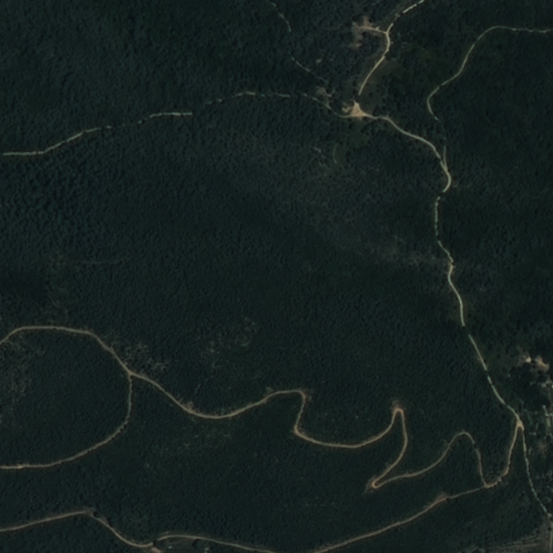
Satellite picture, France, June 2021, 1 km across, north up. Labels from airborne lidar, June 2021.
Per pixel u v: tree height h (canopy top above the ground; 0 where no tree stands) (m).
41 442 12
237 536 13
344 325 8
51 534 11
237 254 16
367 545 6
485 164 10
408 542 6
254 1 13
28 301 6
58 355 11
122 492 12
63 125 14
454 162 8
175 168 16
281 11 11
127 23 17
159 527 10
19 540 8
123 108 12
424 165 18
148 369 10
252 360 9
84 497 18
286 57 10
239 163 10
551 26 10
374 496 7
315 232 14
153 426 10
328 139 13
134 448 8
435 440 10
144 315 13
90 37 15
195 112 16
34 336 11
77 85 15
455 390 7
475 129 9
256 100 9
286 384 10
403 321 16
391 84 9
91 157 16
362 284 10
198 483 6
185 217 12
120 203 10
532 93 12
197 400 6
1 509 7
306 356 10
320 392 7
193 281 15
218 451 7
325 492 6
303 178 10
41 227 17
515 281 17
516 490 7
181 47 9
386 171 8
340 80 11
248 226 16
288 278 10
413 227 10
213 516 15
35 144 11
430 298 7
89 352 13
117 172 18
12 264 14
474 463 12
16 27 10
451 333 9
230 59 14
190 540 0
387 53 8
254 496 11
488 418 9
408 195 12
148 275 7
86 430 8
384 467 5
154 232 12
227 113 17
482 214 16
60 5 14
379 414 8
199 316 11
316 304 14
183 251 13
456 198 10
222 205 17
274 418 7
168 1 16
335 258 11
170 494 5
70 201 8
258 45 14
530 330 17
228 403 13
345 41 17
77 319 11
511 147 9
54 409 10
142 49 17
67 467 8
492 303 9
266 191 11
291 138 9
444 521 7
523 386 15
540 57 9
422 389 6
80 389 9
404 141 9
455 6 17
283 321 9
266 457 11
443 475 11
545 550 0
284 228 15
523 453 8
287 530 6
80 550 15
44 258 11
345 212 12
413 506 6
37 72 13
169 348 13
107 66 15
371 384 8
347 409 9
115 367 8
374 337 16
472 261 13
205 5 14
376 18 18
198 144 9
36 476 8
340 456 6
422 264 14
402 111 12
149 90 18
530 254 10
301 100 14
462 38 9
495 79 13
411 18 7
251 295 11
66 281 7
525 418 9
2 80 10
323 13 14
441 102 10
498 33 8
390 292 10
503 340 11
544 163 12
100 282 14
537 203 10
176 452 9
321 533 6
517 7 10
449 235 13
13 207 13
